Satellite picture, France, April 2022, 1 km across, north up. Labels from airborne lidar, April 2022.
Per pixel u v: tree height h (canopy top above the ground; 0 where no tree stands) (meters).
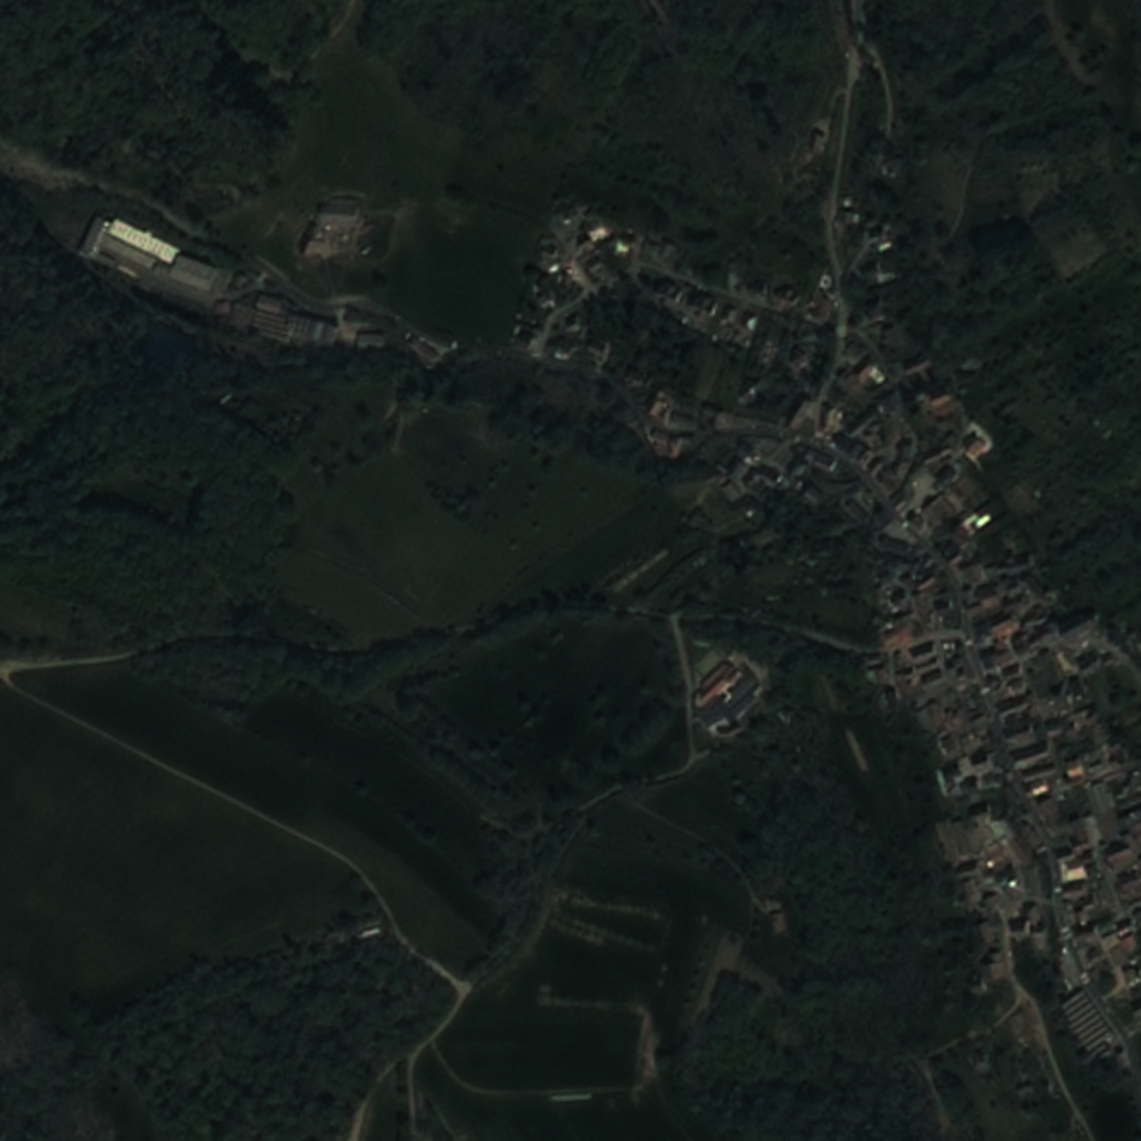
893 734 6
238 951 0
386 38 26
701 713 0
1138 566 19
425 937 0
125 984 0
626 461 21
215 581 19
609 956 0
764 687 0
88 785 0
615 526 0
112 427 28
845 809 21
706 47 28
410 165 0
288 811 0
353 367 25
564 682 0
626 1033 0
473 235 0
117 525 23
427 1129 14
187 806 0
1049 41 20
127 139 25
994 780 8
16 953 0
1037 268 7
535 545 0
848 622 0
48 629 0
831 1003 19
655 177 14
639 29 19
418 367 16
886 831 0
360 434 0
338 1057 27
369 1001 28
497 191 0
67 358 27
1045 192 0
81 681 0
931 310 9
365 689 19
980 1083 0
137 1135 0
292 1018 29
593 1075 0
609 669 0
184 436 25
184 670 14
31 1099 17
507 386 0
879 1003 13
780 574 0
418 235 0
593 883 0
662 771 0
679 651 17
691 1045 14
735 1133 13
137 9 20
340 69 0
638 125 21
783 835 26
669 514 0
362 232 0
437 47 17
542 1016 0
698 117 13
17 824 0
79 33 33
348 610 0
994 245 20
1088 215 6
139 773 0
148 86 14
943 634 0
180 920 0
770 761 6
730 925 0
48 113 22
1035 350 11
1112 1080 17
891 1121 29
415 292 0
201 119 20
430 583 0
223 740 0
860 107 0
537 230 0
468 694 0
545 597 0
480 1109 0
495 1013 0
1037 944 0
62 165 23
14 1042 21
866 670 12
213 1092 22
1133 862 0
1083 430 0
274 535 26
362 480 0
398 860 0
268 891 0
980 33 22
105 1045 14
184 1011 16
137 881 0
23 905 0
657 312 16
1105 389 17
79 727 0
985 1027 13
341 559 0
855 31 10
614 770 12
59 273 31
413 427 0
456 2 26
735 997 19
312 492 0
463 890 0
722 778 0
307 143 0
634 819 0
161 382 31
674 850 0
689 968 0
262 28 25
